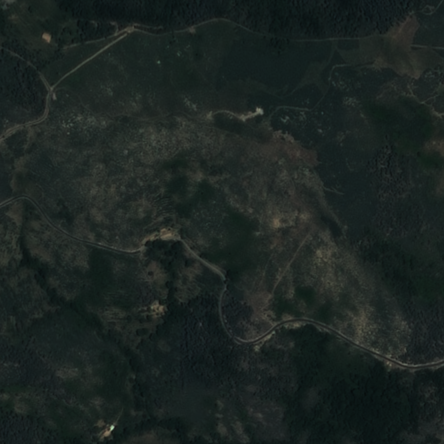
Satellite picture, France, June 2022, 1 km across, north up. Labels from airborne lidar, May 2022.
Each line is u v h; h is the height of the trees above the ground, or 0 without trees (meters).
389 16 16
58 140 0
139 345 9
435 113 0
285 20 7
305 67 0
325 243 0
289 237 0
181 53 0
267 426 0
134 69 0
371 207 0
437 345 11
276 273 0
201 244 0
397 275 11
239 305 10
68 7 9
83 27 10
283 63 0
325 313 0
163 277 0
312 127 0
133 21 6
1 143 0
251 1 7
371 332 0
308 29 7
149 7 14
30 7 10
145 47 0
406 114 0
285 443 13
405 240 0
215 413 0
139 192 0
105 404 7
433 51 0
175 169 10
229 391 8
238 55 0
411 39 0
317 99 0
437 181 0
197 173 0
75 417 0
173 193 0
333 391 6
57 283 0
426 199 0
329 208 0
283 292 0
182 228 7
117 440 7
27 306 0
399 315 0
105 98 0
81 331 0
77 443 22
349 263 0
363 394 12
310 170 0
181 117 0
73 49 0
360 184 0
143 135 0
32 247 0
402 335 0
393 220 10
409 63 0
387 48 0
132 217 0
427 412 11
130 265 0
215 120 0
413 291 7
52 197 0
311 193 0
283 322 0
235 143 0
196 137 0
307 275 0
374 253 13
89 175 0
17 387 0
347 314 0
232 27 0
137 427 11
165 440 0
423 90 0
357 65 0
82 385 0
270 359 10
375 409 18
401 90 0
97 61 0
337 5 17
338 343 0
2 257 0
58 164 0
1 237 0
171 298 14
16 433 13
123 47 0
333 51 0
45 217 0
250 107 0
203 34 0
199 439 14
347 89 0
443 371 9
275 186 0
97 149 0
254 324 7
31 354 8
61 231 0
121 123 0
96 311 0
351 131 0
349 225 0
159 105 0
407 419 12
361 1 19
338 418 13
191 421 0
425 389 7
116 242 0
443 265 0
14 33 0
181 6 9
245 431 8
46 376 8
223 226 0
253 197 0
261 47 0
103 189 0
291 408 9
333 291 0
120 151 0
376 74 0
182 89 0
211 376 14
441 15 0
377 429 16
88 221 0
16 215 0
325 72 0
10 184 0
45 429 13
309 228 0
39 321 6
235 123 0
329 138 0
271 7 9
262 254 0
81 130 0
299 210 0
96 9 8
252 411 0
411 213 9
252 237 0
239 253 0
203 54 0
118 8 11
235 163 0
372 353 0
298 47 0
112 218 0
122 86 0
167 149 0
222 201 0
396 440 12
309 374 9
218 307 6
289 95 0
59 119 0
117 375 12
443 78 11
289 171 0
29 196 0
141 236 0
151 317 14
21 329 8
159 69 0
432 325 10
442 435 0
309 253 0
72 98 0
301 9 14
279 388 18
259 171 0
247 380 12
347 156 0
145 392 10
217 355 9
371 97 0
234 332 9
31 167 0
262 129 0
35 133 0
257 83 0
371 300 0
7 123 7
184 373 12
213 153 0
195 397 0
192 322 12
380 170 11
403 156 7
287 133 0
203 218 0
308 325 9
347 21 9
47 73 0
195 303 8
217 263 0
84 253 0
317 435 8
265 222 0
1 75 0
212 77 0
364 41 0
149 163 0
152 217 0
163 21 12
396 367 0
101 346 0
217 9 9
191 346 10
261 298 0
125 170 0
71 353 0
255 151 0
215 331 7
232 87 0
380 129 0
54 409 0
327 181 0
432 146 0
